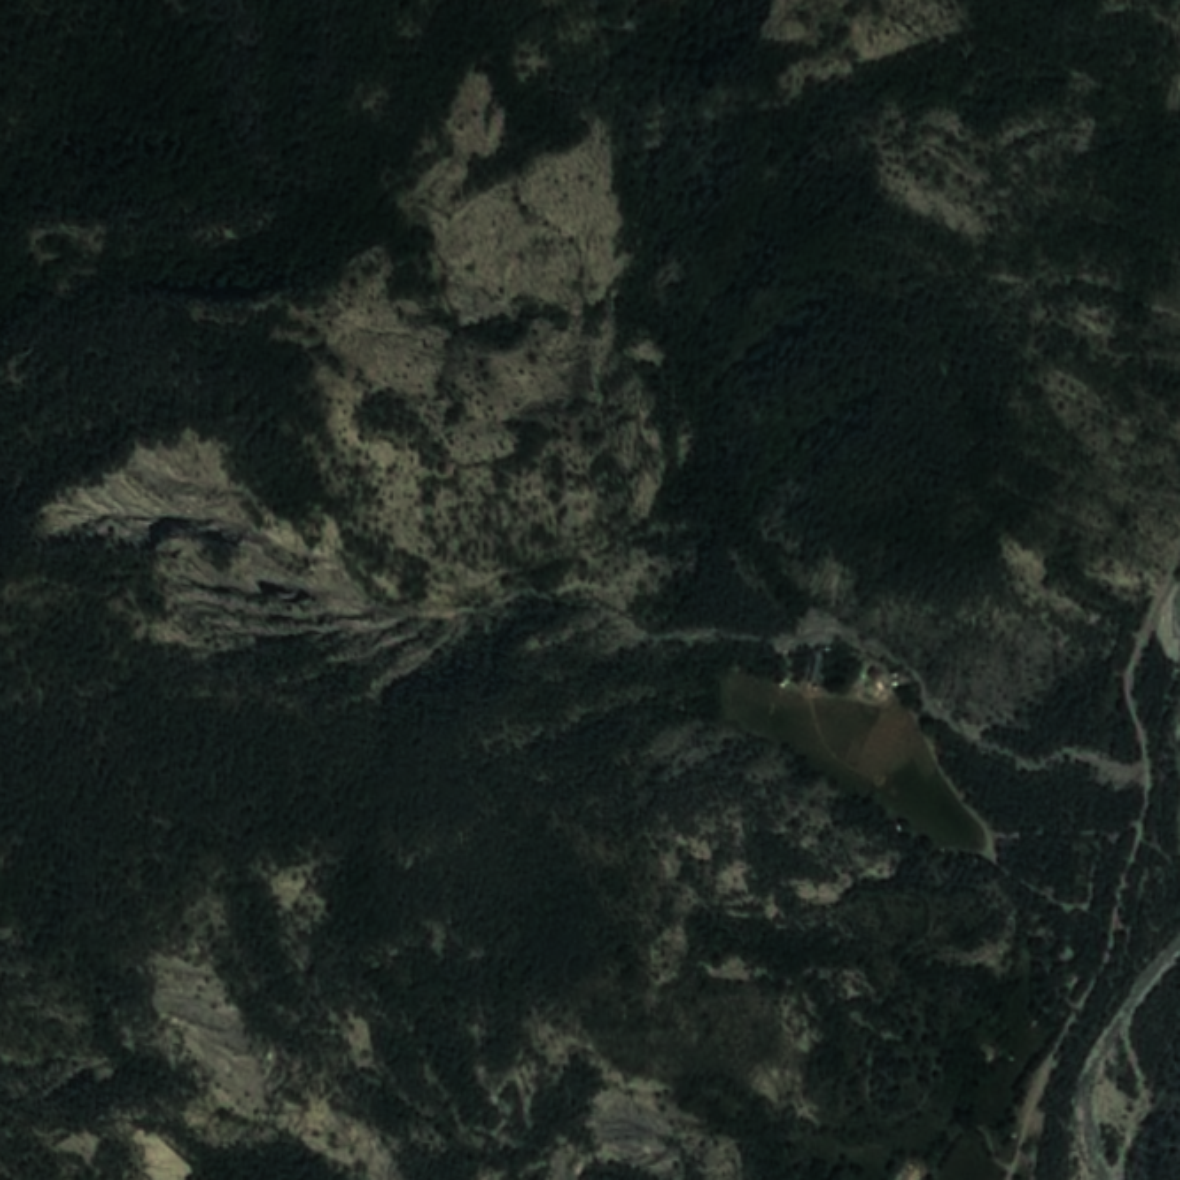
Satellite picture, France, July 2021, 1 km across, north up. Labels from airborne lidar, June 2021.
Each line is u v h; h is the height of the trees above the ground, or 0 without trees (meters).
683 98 10
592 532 6
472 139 0
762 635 7
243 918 6
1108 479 0
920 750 0
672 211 6
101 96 15
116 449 13
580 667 9
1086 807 7
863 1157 0
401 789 10
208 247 12
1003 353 10
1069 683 10
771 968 6
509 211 0
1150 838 8
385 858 8
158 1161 0
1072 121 12
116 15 12
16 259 13
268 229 7
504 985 7
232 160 15
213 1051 0
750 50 11
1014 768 7
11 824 10
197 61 18
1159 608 0
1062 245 7
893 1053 8
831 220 8
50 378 14
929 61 13
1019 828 6
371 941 7
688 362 15
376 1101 7
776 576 8
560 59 10
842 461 9
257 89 19
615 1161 7
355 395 0
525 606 7
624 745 8
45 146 23
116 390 10
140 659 7
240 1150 10
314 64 11
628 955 8
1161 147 8
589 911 7
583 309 6
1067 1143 6
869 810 9
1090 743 8
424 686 9
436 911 8
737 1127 8
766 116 7
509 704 7
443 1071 8
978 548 8
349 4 12
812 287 7
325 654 6
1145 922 6
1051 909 9
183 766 13
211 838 8
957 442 6
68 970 6
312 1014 7
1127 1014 0
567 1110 8
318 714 11
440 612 0
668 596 8
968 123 9
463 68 14
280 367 13
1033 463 9
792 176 8
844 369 11
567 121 13
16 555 11
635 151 6
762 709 0
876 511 7
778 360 14
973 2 10
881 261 8
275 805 9
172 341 15
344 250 15
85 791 12
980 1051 12
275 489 7
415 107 10
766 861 8
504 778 6
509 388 0
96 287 17
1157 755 7
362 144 12
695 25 13
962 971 8
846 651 8
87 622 8
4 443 9
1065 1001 6
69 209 12
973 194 6
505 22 15
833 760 0
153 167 24
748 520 11
